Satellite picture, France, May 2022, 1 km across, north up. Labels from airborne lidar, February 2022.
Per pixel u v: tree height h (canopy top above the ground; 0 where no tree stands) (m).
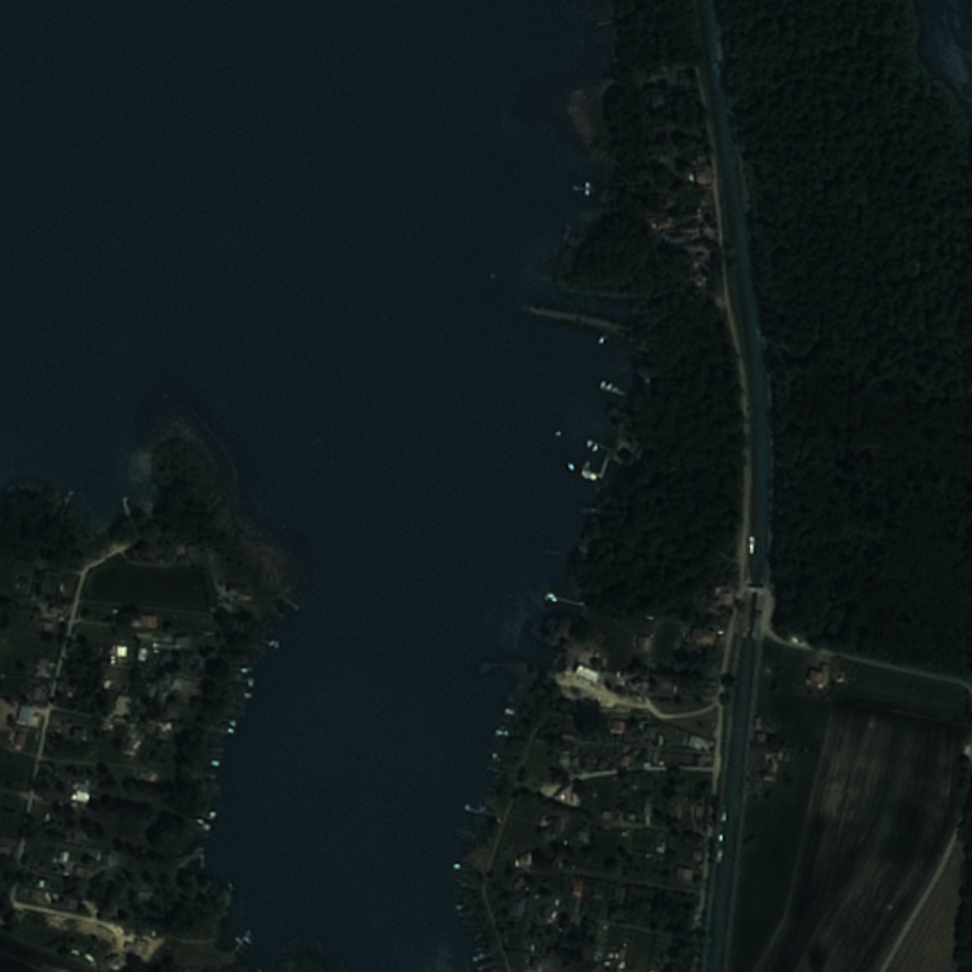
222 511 8
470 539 0
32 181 0
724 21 22
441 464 0
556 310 0
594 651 0
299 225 0
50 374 0
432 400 0
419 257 0
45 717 0
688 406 24
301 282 0
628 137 23
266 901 0
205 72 0
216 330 0
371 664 0
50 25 0
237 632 14
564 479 0
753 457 0
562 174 0
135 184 0
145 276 0
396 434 0
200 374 0
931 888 0
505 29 0
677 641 0
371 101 0
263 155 0
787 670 0
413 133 0
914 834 0
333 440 0
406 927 0
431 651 0
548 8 0
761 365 0
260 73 0
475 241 0
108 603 0
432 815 0
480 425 0
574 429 0
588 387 0
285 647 0
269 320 0
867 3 27
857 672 0
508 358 0
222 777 0
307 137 0
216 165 0
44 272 0
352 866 0
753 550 0
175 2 0
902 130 25
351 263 0
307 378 0
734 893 0
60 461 0
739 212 0
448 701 0
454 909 0
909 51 8
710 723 0
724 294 0
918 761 0
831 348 26
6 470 0
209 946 0
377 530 0
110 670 0
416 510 0
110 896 17
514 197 0
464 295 0
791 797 0
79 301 0
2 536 22
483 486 0
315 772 0
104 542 0
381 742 0
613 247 22
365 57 0
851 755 0
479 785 0
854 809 0
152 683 8
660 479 26
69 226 0
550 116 0
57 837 16
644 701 0
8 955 0
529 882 15
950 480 10
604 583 18
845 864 0
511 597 0
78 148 0
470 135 0
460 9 0
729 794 0
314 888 0
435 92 0
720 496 25
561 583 0
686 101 24
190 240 0
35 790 16
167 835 18
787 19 28
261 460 0
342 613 0
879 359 23
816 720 0
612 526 25
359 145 0
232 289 0
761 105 26
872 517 30
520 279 0
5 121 0
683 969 11
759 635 0
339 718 0
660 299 18
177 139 0
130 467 0
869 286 24
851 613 26
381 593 0
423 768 0
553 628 15
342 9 0
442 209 0
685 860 0
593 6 0
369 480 0
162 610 0
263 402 0
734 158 0
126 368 0
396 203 0
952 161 23
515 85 0
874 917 0
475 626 0
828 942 0
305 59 0
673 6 25
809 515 26
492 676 0
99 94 0
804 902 0
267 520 0
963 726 0
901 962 0
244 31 0
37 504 20
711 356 20
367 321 0
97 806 18
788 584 26
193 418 0
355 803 0
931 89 15
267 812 0
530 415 0
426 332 0
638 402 17
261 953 0
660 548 22
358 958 0
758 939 0
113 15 0
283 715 0
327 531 0
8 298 0
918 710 0
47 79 0
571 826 0
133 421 0
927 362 28
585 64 0
